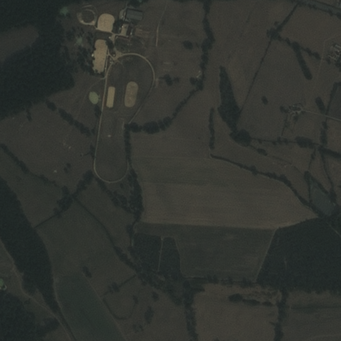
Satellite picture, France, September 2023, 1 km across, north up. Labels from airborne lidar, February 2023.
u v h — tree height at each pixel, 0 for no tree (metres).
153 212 0
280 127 0
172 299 0
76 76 0
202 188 0
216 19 0
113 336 0
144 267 19
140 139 0
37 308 0
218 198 0
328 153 11
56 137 0
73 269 0
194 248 0
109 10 0
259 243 0
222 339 0
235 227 0
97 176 0
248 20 0
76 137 0
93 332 0
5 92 19
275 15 0
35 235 24
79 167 0
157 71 0
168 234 0
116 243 0
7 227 24
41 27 18
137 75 0
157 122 0
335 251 27
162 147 0
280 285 13
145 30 0
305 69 17
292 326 0
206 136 0
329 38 0
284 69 0
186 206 0
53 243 0
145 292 0
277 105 0
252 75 0
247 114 0
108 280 0
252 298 0
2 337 14
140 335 0
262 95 0
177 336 0
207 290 0
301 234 0
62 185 0
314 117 0
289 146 0
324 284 24
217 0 0
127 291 0
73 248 0
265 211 0
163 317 0
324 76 0
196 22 0
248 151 0
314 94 0
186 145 0
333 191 7
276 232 0
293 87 0
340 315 0
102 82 0
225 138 0
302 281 27
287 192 0
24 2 26
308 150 0
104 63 0
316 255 23
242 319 0
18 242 18
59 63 14
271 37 10
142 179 0
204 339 0
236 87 0
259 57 0
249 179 0
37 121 0
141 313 0
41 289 19
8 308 20
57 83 27
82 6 0
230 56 0
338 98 0
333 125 0
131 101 0
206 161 0
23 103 24
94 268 0
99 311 0
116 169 0
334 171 0
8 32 0
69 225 0
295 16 0
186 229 0
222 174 0
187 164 0
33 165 0
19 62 21
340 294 17
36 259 25
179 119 0
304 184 0
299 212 0
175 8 0
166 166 0
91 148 11
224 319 0
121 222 0
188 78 0
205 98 0
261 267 0
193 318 19
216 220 0
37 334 18
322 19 0
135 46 0
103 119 0
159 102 0
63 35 16
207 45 19
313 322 0
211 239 0
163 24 0
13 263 0
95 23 0
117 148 0
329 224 18
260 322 0
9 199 23
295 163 0
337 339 0
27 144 0
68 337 0
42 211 0
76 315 0
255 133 0
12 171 0
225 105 10
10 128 0
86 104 0
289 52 0
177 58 0
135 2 13
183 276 14
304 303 0
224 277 0
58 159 0
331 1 0
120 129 0
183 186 0
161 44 0
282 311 10
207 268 0
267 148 0
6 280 0
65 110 0
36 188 0
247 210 0
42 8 16
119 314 0
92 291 0
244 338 0
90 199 0
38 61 23
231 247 0
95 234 0
